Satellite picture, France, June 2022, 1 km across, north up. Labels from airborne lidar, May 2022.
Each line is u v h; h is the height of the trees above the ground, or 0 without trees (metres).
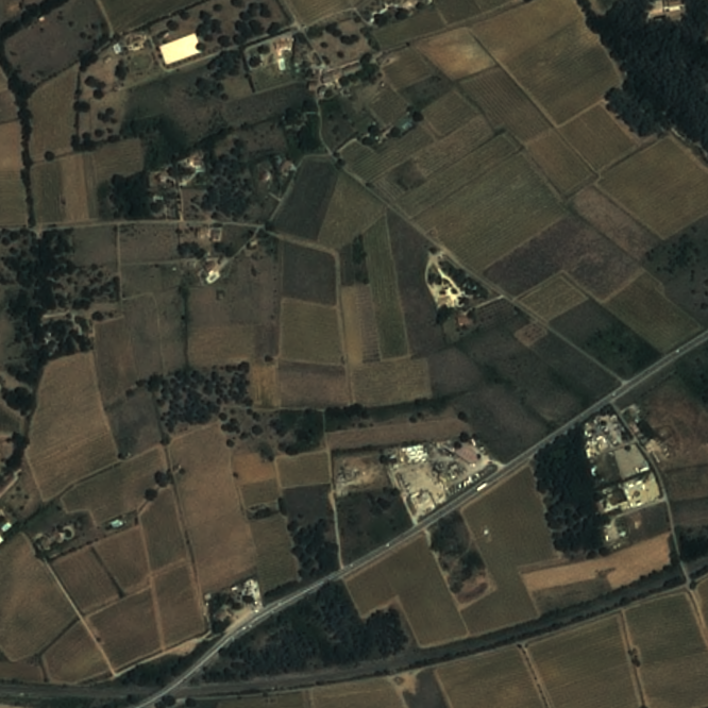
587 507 15
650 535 0
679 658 0
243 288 0
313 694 0
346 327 0
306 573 10
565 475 13
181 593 0
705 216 0
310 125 7
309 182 0
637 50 19
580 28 0
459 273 13
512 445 0
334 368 0
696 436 0
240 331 0
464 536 0
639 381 0
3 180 0
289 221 0
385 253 0
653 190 0
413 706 0
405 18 15
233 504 0
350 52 0
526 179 0
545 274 0
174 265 0
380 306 0
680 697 0
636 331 0
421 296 0
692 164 0
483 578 0
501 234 0
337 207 0
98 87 9
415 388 0
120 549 0
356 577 0
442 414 0
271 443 0
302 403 0
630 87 20
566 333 0
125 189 6
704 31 19
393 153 0
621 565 0
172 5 0
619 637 0
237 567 0
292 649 14
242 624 0
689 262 6
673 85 18
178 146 11
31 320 9
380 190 0
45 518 0
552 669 0
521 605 0
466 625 0
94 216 0
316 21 0
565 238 0
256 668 12
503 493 0
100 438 0
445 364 0
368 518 0
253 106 0
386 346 0
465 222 0
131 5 0
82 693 0
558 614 9
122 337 0
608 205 0
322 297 0
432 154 0
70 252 12
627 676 0
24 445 13
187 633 0
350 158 0
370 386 0
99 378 0
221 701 0
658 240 0
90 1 0
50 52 0
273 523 0
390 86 0
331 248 0
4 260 9
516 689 0
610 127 0
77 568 0
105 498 0
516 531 0
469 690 0
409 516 0
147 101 0
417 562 0
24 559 0
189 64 0
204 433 0
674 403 0
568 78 0
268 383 0
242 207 13
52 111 0
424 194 0
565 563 0
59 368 0
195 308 0
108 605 0
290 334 0
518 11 0
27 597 0
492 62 0
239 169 14
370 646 16
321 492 0
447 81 0
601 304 0
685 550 12
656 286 0
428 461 0
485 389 0
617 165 0
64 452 0
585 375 0
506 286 0
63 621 0
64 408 0
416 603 0
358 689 0
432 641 0
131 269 0
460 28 0
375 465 0
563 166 0
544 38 0
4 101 0
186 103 0
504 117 0
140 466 0
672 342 0
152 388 8
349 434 0
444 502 0
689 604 0
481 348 0
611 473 0
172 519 0
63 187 0
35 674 0
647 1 17
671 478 0
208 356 0
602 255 0
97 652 0
